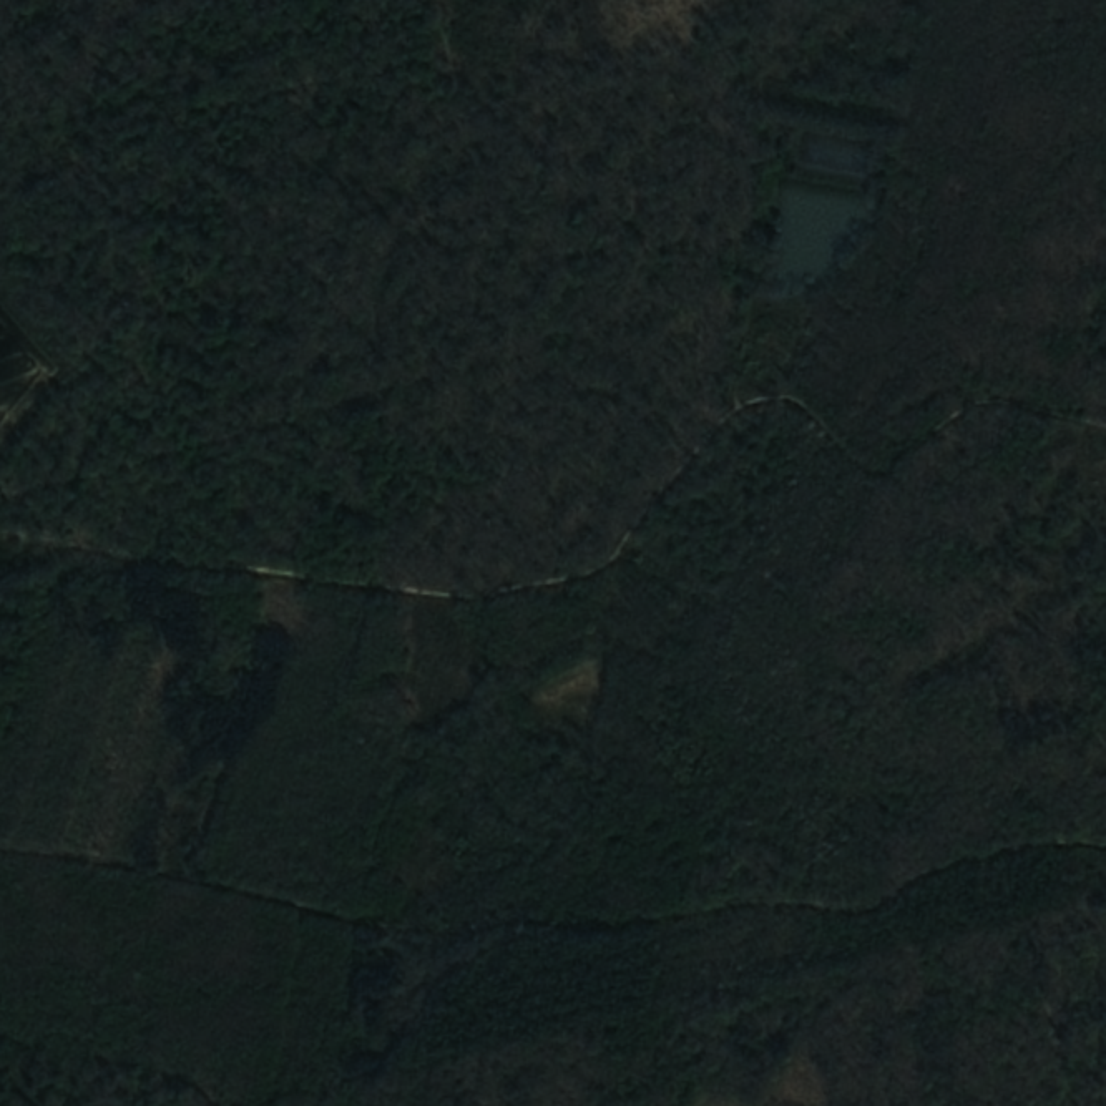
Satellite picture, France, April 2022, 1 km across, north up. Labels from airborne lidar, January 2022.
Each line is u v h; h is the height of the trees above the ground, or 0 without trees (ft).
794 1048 73
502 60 19
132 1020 54
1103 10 47
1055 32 44
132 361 94
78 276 87
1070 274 31
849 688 74
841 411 52
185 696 78
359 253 94
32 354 0
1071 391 46
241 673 62
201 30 93
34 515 82
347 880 59
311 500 88
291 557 56
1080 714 83
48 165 100
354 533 87
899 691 83
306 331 105
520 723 65
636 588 58
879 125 96
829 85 81
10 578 72
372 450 70
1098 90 60
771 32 89
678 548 91
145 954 56
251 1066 67
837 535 63
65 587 64
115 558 64
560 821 76
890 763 76
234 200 95
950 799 89
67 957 57
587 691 0
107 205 98
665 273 86
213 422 94
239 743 94
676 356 81
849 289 46
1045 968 87
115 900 52
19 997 56
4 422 0
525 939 79
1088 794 79
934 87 54
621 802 46
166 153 86
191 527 71
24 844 62
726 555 81
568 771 78
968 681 75
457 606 50
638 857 52
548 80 99
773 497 60
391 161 83
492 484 94
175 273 93
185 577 73
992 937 87
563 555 79
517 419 82
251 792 59
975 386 23
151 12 89
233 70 81
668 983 68
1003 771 76
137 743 66
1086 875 32
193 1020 61
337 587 53
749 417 51
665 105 86
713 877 70
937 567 84
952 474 72
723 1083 81
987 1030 82
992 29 51
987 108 46
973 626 80
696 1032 89
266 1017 61
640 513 90
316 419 96
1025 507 70
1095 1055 77
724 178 102
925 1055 88
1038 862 65
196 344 86
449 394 94
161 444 76
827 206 0
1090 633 79
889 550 80
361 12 74
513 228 88
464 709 59
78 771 59
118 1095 112
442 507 92
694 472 82
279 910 48
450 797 42
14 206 100
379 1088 83
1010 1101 79
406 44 56
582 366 102
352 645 64
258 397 91
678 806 54
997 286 43
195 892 62
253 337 94
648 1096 72
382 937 74
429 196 80
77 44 55
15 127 102
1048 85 54
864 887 69
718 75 89
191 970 62
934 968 73
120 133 86
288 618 89
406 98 98
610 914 55
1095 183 48
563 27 86
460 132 73
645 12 0
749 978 70
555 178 113
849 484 64
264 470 81
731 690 63
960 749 84
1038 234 40
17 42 92
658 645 42
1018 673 65
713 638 78
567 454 92
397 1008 89
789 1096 0
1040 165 36
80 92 94
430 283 84
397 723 76
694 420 101
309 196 103
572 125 99
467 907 61
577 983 89
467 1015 75
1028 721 77
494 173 110
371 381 92
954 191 44
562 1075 83
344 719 66
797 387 40
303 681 68
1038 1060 93
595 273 97
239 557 85
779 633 66
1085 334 36
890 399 59
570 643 52
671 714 55
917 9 45
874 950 71
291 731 66
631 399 102
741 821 60
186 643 88
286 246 99
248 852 66
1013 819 75
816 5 81
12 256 84
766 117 88
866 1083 84
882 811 72
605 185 100
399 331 94
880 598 71
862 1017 97
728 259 70
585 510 100
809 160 0
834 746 74
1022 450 64
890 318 56
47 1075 73
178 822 23
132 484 88
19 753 61
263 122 79
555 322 101
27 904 56
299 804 62
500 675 81
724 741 65
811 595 54
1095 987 101
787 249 0
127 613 72
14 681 88
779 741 74
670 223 102
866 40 76
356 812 62
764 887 61
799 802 75
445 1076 66
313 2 86
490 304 88
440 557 89
